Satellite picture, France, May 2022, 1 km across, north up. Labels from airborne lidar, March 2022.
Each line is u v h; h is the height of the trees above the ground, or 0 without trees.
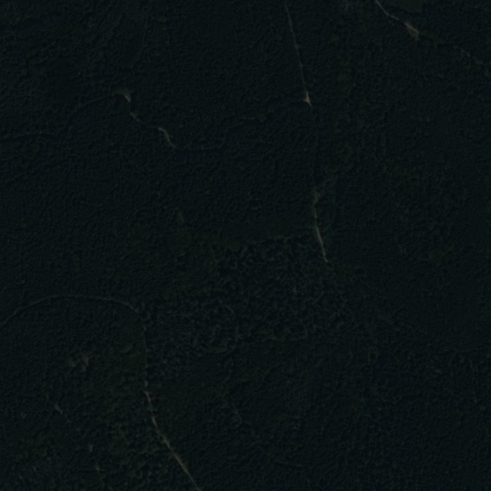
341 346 20
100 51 12
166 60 25
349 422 19
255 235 25
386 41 21
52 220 21
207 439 20
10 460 19
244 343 15
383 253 26
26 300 17
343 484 26
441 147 19
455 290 19
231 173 25
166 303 17
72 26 13
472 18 25
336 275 15
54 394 19
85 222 15
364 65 19
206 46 24
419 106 18
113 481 17
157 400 23
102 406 18
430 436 22
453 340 23
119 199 23
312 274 21
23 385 16
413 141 22
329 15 21
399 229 21
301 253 32
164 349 25
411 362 20
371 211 25
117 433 27
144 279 15
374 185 22
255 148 28
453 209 27
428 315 22
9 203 15
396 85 15
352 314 17
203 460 16
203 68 20
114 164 23
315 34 24
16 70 13
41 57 16
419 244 20
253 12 20
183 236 15
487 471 13
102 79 26
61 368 13
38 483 30
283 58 14
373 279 21
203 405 15
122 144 20
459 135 20
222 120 24
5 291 14
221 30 22
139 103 27
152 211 24
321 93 24
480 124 16
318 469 26
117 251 14
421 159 21
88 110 23
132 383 12
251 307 34
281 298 40
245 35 23
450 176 23
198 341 12
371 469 26
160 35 22
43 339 9
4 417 15
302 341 25
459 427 10
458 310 17
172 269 14
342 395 19
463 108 19
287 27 20
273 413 22
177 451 13
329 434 22
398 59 9
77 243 18
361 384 25
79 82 15
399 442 28
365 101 14
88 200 19
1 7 9
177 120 29
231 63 25
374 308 20
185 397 18
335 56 25
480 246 20
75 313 13
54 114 25
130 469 23
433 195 25
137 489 10
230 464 16
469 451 21
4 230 11
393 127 21
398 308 18
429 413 24
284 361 15
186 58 20
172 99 29
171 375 17
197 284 15
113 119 22
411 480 25
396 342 30
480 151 18
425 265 23
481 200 20
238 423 18
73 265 21
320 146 23
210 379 22
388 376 31
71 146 24
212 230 20
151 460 16
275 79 19
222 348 34
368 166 22
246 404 16
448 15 25
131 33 16
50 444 7
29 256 19
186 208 17
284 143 28
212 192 20
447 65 12
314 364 19
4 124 14
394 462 28
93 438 20
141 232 16
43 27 26
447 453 20
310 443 19
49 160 25
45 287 16
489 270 20
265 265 40
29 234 18
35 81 12
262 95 18
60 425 15
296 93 28
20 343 7
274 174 19
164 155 23
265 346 21
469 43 35
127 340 13
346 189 29
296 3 24
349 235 23
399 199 17
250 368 22
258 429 27
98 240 19
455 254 18
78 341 10
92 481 17
